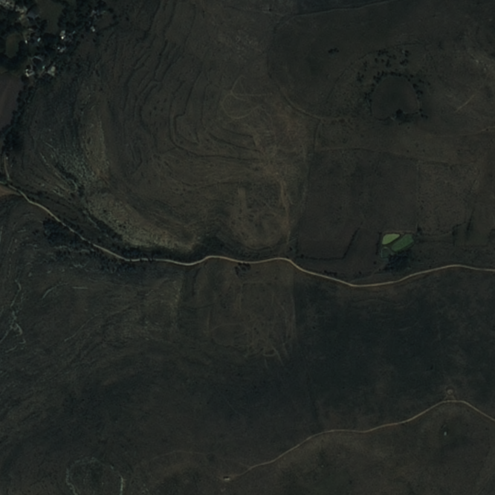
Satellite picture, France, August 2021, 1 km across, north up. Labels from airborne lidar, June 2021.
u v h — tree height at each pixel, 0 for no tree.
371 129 0
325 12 0
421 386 0
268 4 0
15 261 0
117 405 0
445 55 0
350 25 0
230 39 0
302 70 0
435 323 0
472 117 0
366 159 0
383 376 0
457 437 0
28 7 13
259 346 0
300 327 0
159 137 0
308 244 0
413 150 0
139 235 0
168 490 0
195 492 0
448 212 0
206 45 0
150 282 0
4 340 0
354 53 0
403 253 5
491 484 0
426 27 0
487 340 0
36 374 0
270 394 0
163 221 0
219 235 0
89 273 0
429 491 0
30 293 0
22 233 0
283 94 0
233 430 0
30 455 0
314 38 0
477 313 0
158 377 0
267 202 0
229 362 0
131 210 0
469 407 0
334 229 0
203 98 0
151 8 0
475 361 0
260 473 0
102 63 0
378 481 0
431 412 0
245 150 0
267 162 0
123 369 0
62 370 0
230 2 0
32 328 0
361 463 0
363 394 0
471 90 0
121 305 0
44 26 11
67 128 0
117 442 0
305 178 0
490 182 0
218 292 0
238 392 0
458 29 0
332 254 0
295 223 0
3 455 0
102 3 8
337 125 0
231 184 0
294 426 0
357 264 0
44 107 0
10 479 0
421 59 0
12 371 0
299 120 0
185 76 0
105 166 0
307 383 0
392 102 0
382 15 0
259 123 0
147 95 0
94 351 0
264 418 0
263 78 0
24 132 0
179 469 0
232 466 0
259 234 0
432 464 0
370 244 0
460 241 0
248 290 0
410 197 0
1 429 0
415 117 0
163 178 0
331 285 0
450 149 0
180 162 0
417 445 0
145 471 0
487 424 0
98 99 0
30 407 0
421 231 14
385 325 0
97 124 0
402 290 0
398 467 0
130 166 0
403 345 0
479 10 0
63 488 0
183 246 0
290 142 0
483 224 0
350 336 0
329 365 0
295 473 0
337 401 0
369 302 0
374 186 0
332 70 0
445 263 0
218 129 0
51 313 0
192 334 0
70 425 0
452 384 0
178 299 0
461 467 0
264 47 0
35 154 0
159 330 0
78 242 11
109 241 0
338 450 0
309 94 0
